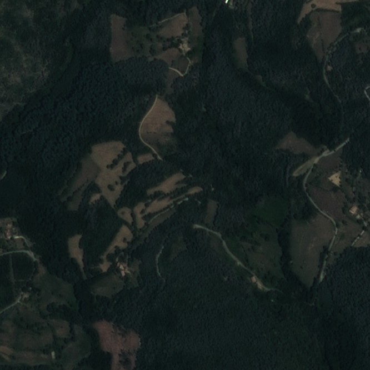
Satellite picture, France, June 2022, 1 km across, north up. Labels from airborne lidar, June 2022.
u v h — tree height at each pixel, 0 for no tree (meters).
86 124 29
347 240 0
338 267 12
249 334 21
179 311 13
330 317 11
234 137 20
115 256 10
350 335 11
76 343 25
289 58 9
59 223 20
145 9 27
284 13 9
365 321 13
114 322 13
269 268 0
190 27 6
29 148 9
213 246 0
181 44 8
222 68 11
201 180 12
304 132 12
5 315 8
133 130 7
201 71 19
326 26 0
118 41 0
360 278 14
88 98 30
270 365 18
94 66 18
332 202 0
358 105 13
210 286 14
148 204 8
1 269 6
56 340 11
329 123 24
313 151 0
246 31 9
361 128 16
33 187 22
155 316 14
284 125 15
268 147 8
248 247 0
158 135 0
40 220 22
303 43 7
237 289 20
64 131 13
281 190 12
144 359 14
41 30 9
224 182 17
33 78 6
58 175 8
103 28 10
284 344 17
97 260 9
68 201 8
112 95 29
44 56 10
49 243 11
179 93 11
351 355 18
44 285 0
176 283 14
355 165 8
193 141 18
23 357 0
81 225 7
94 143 11
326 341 20
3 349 0
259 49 14
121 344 0
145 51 0
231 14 8
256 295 10
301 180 12
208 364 18
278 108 21
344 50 13
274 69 12
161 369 14
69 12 12
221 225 13
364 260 17
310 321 14
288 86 6
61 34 14
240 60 0
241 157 21
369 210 8
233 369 18
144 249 14
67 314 16
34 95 10
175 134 11
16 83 7
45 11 10
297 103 17
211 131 16
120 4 13
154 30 9
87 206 10
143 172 16
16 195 11
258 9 8
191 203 7
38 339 0
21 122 18
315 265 0
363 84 11
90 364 12
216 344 18
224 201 14
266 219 0
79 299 21
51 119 25
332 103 11
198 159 19
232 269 22
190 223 15
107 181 0
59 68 12
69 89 14
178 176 0
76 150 17
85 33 13
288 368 14
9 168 10
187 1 9
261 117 10
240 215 20
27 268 8
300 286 23
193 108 7
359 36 11
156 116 0
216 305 15
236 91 14
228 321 22
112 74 29
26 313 0
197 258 15
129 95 10
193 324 16
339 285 19
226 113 15
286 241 25
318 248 0
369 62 13
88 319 23
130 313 15
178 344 17
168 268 6
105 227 8
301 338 19
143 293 16
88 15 17
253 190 27
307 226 0
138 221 0
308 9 0
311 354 18
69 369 0
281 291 13
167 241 13
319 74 9
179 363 17
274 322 22
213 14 10
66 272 24
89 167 0
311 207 8
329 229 0
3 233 13
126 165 11
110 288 0
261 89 25
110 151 0
